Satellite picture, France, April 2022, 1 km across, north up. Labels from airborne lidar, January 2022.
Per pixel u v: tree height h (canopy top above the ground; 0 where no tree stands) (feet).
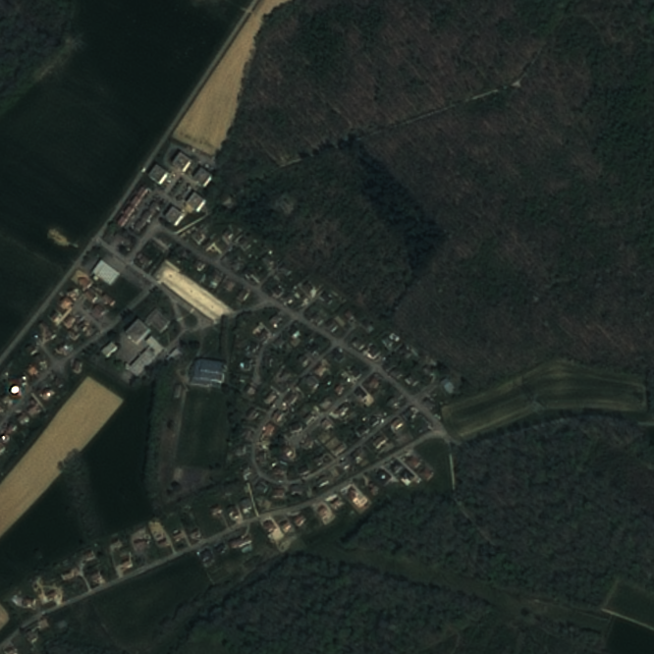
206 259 0
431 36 52
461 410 0
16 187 0
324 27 31
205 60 0
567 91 0
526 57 53
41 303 0
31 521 0
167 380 70
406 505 73
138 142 0
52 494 0
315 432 0
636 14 88
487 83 38
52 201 0
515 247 74
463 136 56
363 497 0
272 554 0
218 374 0
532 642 25
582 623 0
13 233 0
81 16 0
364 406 0
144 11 0
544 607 0
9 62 99
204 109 0
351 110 48
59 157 0
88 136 0
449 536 90
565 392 0
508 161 48
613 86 32
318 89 44
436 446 0
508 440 77
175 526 0
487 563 89
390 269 71
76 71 0
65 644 33
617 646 0
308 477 0
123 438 0
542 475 91
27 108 0
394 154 61
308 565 75
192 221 0
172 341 0
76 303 0
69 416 0
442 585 0
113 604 0
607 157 23
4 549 0
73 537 0
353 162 20
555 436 77
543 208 41
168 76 0
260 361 0
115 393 0
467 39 42
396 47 42
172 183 0
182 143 0
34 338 0
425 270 89
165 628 64
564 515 92
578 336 65
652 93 24
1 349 0
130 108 0
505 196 51
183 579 0
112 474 0
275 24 51
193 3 0
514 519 90
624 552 87
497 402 0
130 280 0
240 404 0
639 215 27
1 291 0
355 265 19
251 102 59
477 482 84
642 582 82
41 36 53
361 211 22
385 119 52
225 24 0
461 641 0
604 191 38
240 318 25
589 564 89
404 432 0
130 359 0
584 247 40
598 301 67
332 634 71
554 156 38
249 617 80
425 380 22
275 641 81
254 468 0
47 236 0
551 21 34
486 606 69
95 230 0
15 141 0
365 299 21
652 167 34
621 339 74
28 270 0
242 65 0
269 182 60
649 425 0
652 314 60
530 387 0
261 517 0
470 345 66
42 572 19
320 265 23
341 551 0
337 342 0
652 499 0
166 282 0
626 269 50
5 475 0
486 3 43
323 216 20
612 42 18
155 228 0
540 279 66
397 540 76
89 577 26
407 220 99
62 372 0
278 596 70
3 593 0
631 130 22
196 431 0
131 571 0
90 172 0
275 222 55
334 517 0
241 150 48
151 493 53
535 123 55
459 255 68
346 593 66
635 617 0
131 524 0
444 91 52
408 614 71
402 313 61
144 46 0
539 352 58
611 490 80
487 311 62
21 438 0
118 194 0
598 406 0
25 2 35
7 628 0
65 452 0
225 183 60
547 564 89
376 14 50
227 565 0
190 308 0
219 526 0
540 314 67
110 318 0
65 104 0
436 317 65
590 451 96
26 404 0
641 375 33
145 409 0
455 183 49
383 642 73
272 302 0
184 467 0
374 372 0
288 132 58
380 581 85
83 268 0
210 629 86
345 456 0
